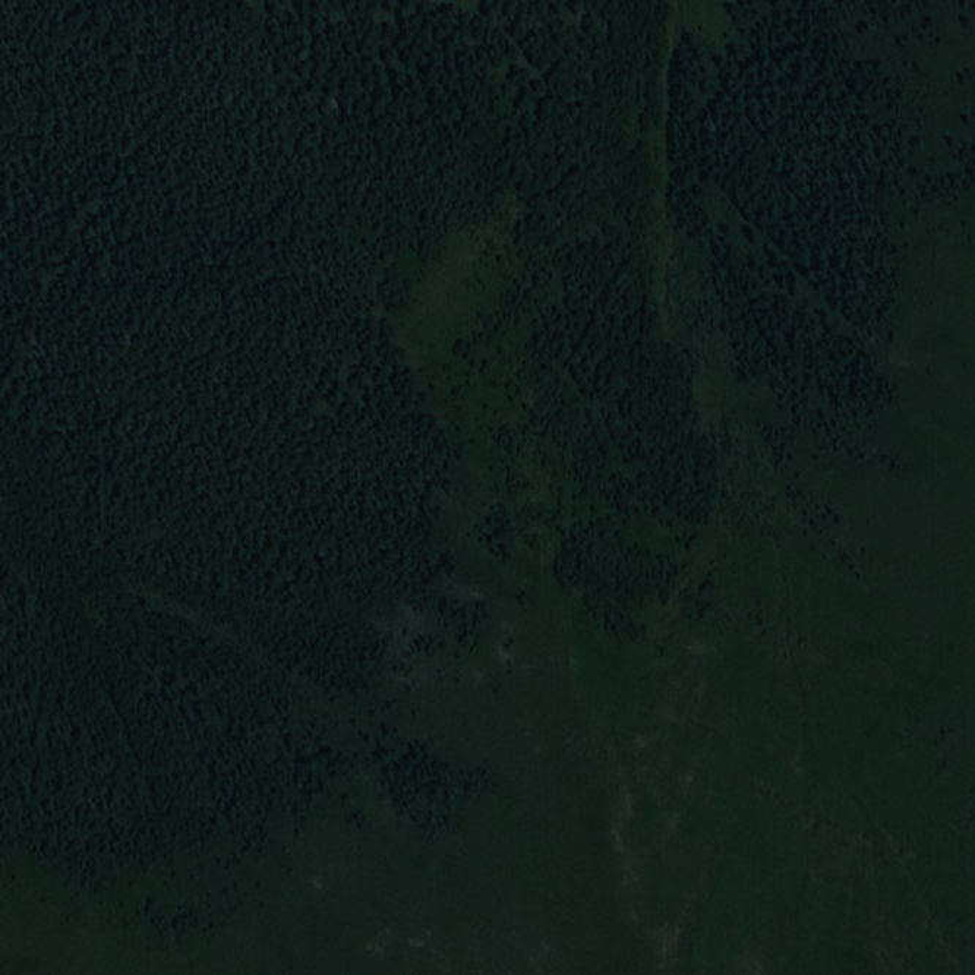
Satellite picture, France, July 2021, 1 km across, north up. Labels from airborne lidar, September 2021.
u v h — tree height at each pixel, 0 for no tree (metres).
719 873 0
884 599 0
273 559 10
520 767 0
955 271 0
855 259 19
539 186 32
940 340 0
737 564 0
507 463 11
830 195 17
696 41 18
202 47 15
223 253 23
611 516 12
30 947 0
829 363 16
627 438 16
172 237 21
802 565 0
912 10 20
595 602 13
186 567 18
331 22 23
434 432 18
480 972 0
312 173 12
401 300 11
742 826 0
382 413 10
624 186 11
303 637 8
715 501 7
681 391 14
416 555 18
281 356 11
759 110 20
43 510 11
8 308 14
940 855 0
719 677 0
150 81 13
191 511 17
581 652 0
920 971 0
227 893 6
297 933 0
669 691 0
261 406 24
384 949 0
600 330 17
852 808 0
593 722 0
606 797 0
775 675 0
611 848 0
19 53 20
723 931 0
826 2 21
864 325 17
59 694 11
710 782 0
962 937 0
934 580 0
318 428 16
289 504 18
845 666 0
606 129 8
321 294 10
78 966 0
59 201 16
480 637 6
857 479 0
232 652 11
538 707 0
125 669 15
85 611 11
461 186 19
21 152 16
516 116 14
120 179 18
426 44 27
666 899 0
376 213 12
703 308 7
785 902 0
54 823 12
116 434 25
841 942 0
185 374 11
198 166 16
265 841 8
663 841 0
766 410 0
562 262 15
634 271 16
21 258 15
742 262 19
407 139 21
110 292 19
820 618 0
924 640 0
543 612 0
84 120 17
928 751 0
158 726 6
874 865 0
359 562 13
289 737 11
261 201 13
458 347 13
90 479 20
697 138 20
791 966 0
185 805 6
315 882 0
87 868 8
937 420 0
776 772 0
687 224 11
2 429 12
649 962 0
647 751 0
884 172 13
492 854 0
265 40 18
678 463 12
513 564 0
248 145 10
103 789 19
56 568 11
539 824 0
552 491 6
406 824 0
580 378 22
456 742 0
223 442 18
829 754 0
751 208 22
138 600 8
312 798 9
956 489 0
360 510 16
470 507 0
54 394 21
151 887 0
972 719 0
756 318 12
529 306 10
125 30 19
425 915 0
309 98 20
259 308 20
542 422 11
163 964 0
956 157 8
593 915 0
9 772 14
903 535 0
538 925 0
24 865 0
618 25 20
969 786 0
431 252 11
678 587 6
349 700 0
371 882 0
